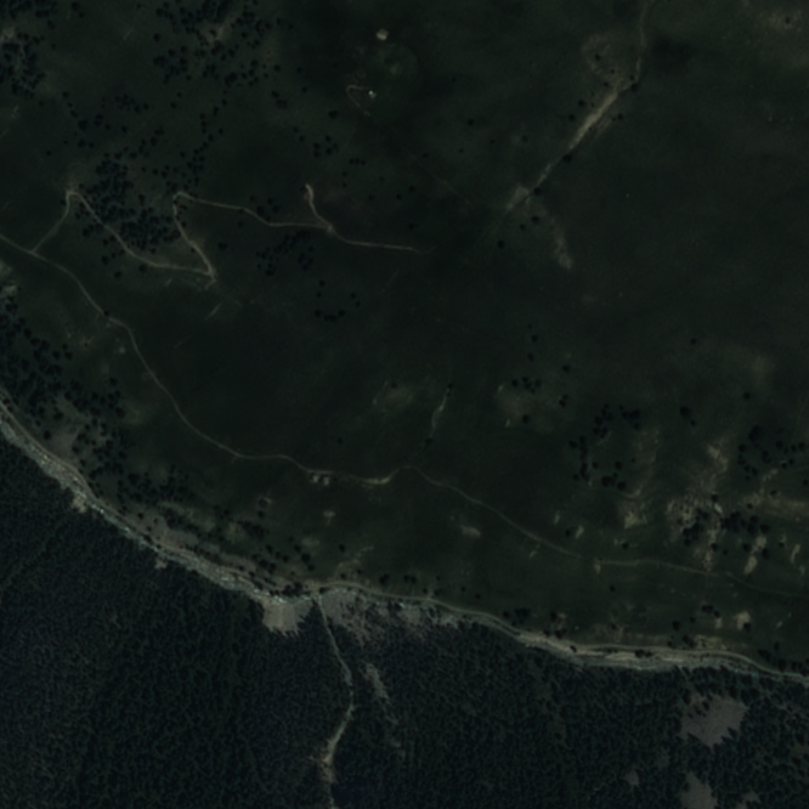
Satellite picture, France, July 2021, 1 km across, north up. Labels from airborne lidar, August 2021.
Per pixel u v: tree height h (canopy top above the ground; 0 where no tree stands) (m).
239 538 0
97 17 0
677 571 0
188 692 19
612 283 0
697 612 0
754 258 0
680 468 0
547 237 0
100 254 0
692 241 0
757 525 14
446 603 0
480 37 0
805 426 0
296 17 0
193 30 10
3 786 14
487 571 0
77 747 19
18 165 0
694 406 0
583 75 0
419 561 0
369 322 0
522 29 0
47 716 17
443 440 0
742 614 0
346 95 0
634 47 0
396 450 0
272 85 0
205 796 21
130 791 18
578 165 0
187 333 0
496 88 0
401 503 0
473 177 0
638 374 0
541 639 0
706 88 0
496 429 0
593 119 0
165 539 0
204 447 0
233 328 0
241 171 0
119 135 0
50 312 0
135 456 0
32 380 10
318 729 17
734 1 0
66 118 0
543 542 0
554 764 10
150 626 14
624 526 0
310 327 0
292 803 20
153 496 11
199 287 0
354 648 11
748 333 0
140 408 0
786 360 0
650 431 0
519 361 0
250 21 8
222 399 0
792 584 0
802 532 0
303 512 0
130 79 0
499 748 7
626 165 0
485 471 0
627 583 0
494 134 0
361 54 0
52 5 13
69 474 0
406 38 0
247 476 0
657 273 0
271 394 0
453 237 0
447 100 0
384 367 0
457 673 13
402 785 13
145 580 8
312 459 0
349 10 0
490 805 11
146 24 0
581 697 19
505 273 0
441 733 22
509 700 15
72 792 9
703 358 0
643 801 21
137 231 13
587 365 0
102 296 0
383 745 13
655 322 0
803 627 0
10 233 0
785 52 0
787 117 0
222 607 23
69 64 0
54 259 0
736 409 0
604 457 0
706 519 11
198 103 0
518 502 0
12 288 0
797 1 0
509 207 0
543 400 0
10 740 13
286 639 15
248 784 16
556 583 0
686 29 0
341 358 0
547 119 0
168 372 0
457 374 0
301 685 12
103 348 0
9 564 16
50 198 0
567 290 0
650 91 0
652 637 0
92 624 15
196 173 12
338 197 0
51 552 16
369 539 0
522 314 0
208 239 0
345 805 11
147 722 15
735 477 0
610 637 0
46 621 13
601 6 0
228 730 9
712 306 0
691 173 0
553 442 0
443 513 0
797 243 0
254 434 0
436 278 0
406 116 0
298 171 0
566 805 14
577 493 0
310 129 0
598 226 0
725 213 0
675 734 18
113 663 9
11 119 0
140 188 0
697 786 0
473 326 0
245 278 0
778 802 11
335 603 0
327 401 0
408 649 9
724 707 0
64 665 15
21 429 0
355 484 0
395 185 0
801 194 0
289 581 0
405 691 13
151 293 0
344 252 0
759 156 0
